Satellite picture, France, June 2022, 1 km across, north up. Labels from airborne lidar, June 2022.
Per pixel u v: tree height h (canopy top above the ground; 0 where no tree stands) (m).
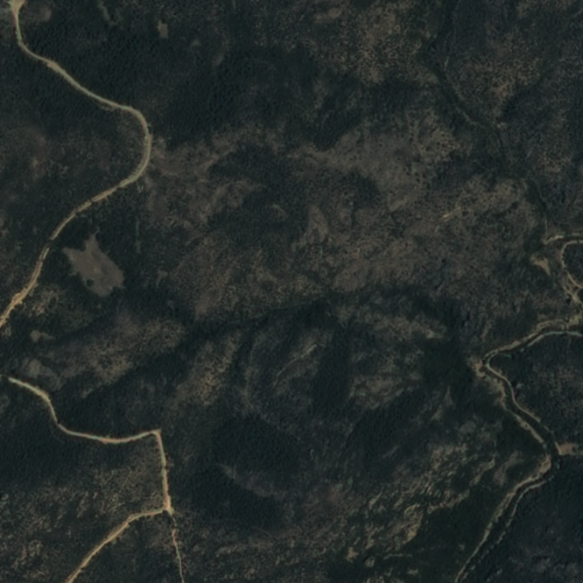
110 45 14
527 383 6
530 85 12
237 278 7
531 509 7
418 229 0
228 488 12
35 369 0
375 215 0
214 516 11
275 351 7
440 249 0
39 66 8
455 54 8
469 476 6
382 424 12
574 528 7
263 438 9
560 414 7
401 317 10
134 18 12
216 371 6
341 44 6
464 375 7
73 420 7
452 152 7
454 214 0
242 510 13
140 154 7
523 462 8
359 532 6
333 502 0
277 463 9
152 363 9
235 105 8
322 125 7
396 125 6
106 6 9
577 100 8
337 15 0
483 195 0
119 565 7
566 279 0
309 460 7
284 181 11
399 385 6
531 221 0
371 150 0
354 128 7
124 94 11
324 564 8
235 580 7
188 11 10
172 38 6
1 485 7
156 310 9
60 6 11
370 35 0
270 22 6
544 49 11
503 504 0
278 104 13
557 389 6
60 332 7
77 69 13
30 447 9
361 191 10
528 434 6
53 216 9
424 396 8
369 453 8
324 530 0
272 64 6
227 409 10
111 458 8
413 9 8
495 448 9
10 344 8
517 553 7
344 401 11
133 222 8
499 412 8
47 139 0
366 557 8
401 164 0
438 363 8
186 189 0
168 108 8
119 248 7
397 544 8
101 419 9
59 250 6
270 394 9
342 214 0
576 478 8
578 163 9
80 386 9
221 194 0
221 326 13
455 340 11
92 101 10
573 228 0
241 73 12
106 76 11
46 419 7
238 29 10
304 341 0
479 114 11
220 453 12
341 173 9
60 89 7
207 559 6
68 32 13
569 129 9
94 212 7
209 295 0
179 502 6
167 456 8
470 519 11
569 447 0
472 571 10
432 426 7
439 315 13
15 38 6
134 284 11
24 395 7
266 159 7
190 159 9
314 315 13
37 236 7
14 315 12
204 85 10
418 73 6
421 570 7
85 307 7
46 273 7
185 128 11
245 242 10
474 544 6
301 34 8
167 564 8
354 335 10
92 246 0
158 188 0
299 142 6
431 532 10
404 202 0
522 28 6
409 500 11
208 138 7
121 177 6
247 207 11
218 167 10
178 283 6
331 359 10
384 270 0
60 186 7
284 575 8
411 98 7
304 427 6
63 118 8
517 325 11
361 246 0
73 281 10
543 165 6
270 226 11
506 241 6
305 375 8
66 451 10
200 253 0
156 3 12
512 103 11
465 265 0
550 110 7
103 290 0
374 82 6
